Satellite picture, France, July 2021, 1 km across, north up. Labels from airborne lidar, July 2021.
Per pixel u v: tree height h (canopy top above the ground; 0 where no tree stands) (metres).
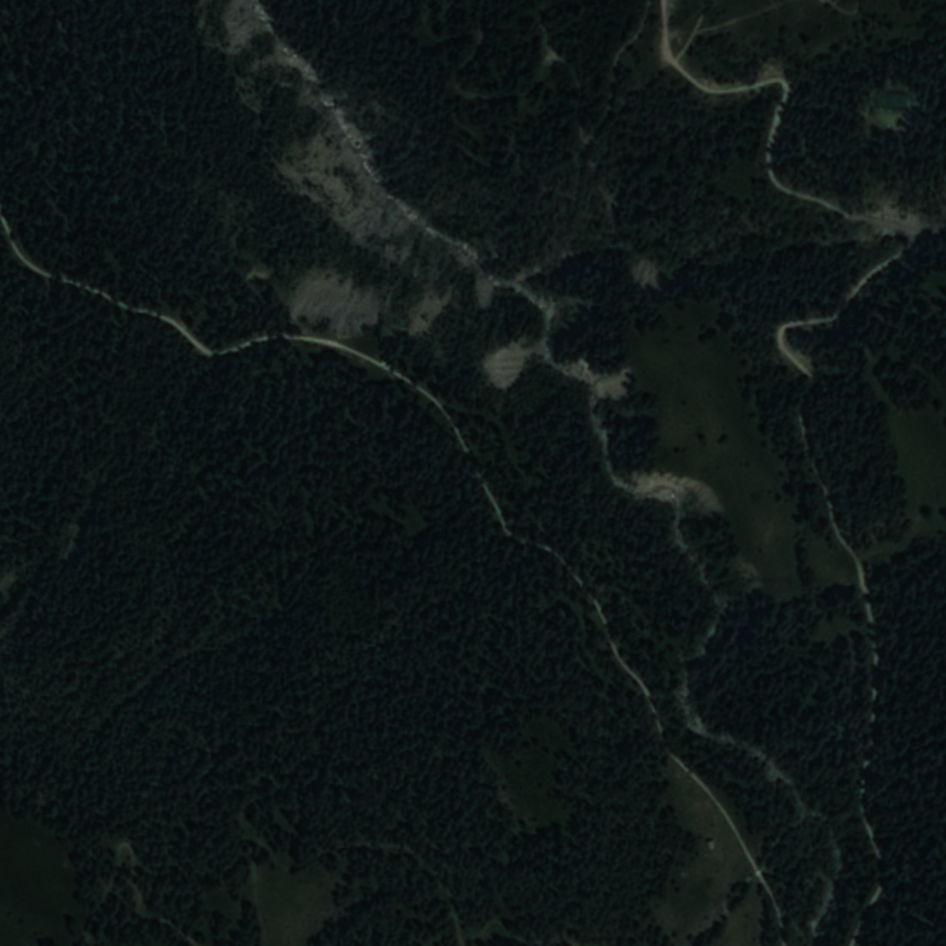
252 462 23
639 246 19
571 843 8
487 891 33
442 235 15
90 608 18
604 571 11
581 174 15
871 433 20
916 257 19
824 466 21
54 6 21
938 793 22
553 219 17
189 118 20
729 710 15
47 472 17
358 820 27
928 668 23
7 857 0
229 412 11
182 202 15
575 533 19
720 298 8
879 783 38
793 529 0
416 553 18
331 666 15
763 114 15
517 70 16
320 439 22
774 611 28
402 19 23
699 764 17
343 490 14
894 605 18
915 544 6
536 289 20
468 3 13
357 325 0
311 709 16
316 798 33
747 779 16
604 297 16
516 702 13
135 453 21
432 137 16
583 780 31
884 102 0
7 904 0
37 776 17
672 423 0
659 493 0
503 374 0
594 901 26
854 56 19
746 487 0
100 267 14
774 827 14
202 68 23
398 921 26
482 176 23
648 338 0
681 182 14
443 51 17
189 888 28
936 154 23
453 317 10
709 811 0
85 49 25
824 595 9
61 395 15
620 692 26
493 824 14
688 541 12
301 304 0
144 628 21
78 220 16
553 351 8
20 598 30
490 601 28
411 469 24
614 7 18
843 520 15
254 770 29
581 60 14
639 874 18
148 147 20
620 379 0
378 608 8
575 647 36
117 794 15
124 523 16
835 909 9
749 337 11
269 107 12
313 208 9
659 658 14
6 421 14
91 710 13
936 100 35
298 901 0
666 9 0
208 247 19
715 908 0
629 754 34
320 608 16
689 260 7
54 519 30
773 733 33
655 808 20
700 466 0
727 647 24
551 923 25
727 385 0
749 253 28
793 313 19
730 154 26
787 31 8
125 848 0
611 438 7
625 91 17
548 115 6
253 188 25
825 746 33
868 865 14
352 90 6
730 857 0
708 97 6
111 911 27
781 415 19
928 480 0
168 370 14
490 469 13
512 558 20
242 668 11
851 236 7
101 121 32
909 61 25
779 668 12
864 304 9
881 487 23
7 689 10
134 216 20
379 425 31
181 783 26
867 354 18
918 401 19
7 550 14
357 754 25
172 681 20
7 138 18
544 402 9
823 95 12
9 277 30
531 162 17
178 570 24
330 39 27
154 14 22
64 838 22
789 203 7
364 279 9
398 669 10
